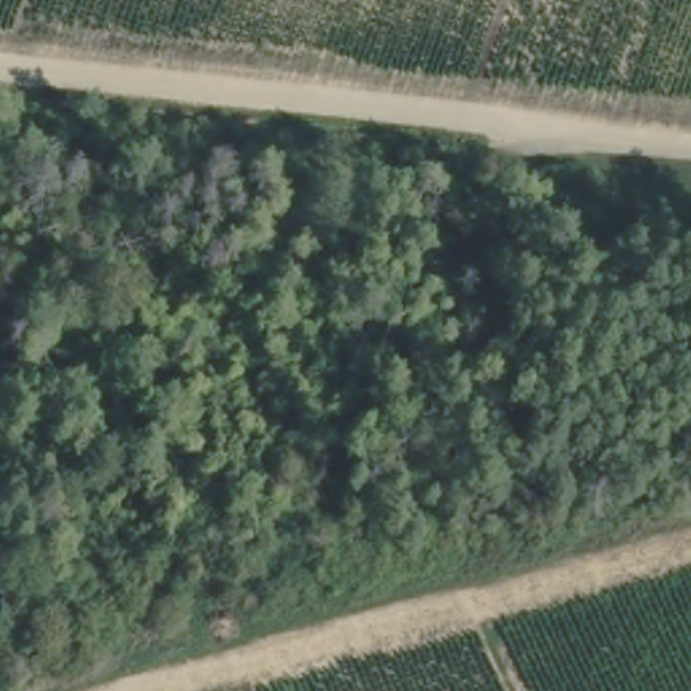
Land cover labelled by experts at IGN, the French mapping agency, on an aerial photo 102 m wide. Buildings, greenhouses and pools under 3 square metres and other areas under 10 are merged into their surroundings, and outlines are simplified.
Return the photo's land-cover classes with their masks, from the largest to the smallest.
<instances>
[{"label":"coniferous trees","instance_id":"1","mask_svg":"<svg viewBox=\"0 0 691 691\"><path fill-rule=\"evenodd\" d=\"M691 529V159H653L642 154L597 151L513 154L505 148H491L486 138L470 132L381 124L340 116H300L283 111L181 105L151 97H113L92 89H57L46 84V78H38L22 94L16 92L13 81H0V691H92L127 675L159 667H178L194 659L246 648L270 634L321 626L335 618L367 613L375 607L429 594L483 588L499 580L521 578L526 572L559 567L570 559L602 553L607 548L634 545L659 534Z\"/></svg>","mask_w":691,"mask_h":691},{"label":"vineyard","instance_id":"2","mask_svg":"<svg viewBox=\"0 0 691 691\"><path fill-rule=\"evenodd\" d=\"M0 43L3 51L16 54H32V49L38 46L46 57L54 59H86L113 65H143L148 59L154 67L170 70H197V65L205 62L202 67L211 73L278 81L286 73H305L356 81L364 89H386L397 94H421L467 103H507L534 111H564L578 116H599L610 121H645L691 130V0H0ZM205 691H691V564L669 570L661 578H634L629 583L607 586L597 594H580L537 610L499 615L483 621L475 632H462L440 642L402 648L394 653L340 656L332 667L310 669L300 678H278L273 683H219Z\"/></svg>","mask_w":691,"mask_h":691},{"label":"impervious surface","instance_id":"3","mask_svg":"<svg viewBox=\"0 0 691 691\"><path fill-rule=\"evenodd\" d=\"M205 62L197 65V70H170L154 67L148 59L143 65H113L86 59H54L46 57L38 46L32 49V54H16L3 51L0 43V81H13L16 92L22 94L38 78H46V84L57 89H92L113 97H151L181 105L283 111L300 116H340L381 124L470 132L486 138L491 148H505L513 154L597 151L642 154L653 159H691V130L645 121H610L599 116H578L564 111H534L507 103H467L421 94H397L386 89H364L356 81L305 73H286L278 81L211 73L202 67Z\"/></svg>","mask_w":691,"mask_h":691},{"label":"pervious surface","instance_id":"4","mask_svg":"<svg viewBox=\"0 0 691 691\"><path fill-rule=\"evenodd\" d=\"M691 564V529L659 534L634 545L607 548L602 553L570 559L559 567L526 572L521 578L499 580L483 588L429 594L375 607L367 613L335 618L321 626L270 634L246 648L194 659L178 667H159L127 675L92 691H205L219 683H273L278 678H300L310 669L332 667L340 656L394 653L402 648L440 642L462 632H475L483 621L499 615L537 610L580 594H597L607 586L629 583L634 578H661L669 570Z\"/></svg>","mask_w":691,"mask_h":691}]
</instances>
